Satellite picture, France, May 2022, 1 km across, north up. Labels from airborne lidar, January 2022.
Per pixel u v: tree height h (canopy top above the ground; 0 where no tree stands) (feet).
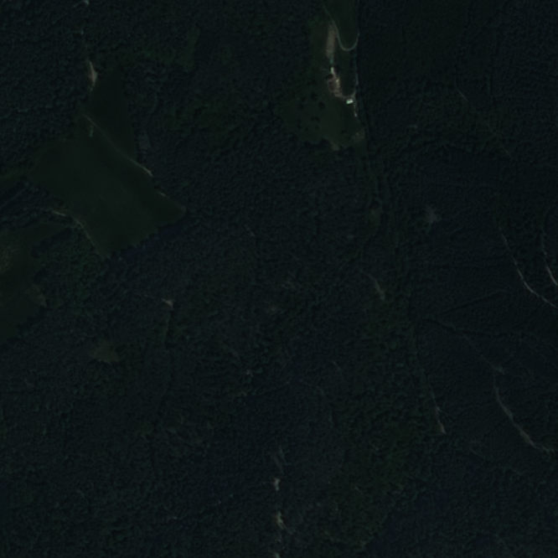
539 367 64
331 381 85
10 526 62
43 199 65
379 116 65
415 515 96
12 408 58
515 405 56
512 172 51
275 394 105
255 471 106
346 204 92
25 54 75
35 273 0
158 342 66
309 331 92
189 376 71
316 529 83
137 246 0
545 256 54
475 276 62
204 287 78
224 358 87
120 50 59
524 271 25
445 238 77
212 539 70
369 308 30
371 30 49
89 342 62
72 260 57
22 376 44
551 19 86
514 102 70
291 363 28
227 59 74
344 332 76
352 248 92
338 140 0
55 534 93
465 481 90
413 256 69
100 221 0
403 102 61
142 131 42
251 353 85
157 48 68
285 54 82
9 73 77
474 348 65
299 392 109
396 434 70
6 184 0
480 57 57
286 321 94
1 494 66
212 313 29
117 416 83
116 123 0
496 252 57
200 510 63
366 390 60
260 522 88
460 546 81
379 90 57
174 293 101
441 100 49
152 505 108
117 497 115
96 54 77
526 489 87
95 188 0
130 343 60
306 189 67
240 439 90
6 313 0
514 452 64
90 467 89
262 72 81
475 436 63
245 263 73
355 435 88
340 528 87
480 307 57
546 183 60
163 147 83
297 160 99
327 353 83
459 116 57
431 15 50
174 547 97
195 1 58
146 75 51
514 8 75
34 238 0
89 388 76
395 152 39
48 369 51
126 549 96
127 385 81
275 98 18
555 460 51
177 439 86
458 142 70
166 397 87
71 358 51
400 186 40
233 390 96
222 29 73
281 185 83
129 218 0
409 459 90
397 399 107
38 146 63
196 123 88
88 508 79
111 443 91
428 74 48
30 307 0
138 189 0
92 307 85
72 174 0
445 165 62
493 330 70
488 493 80
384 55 51
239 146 91
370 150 41
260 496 69
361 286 71
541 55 89
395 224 51
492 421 60
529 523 68
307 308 92
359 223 86
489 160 66
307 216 86
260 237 85
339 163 90
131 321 115
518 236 34
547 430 54
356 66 25
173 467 100
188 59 64
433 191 61
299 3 79
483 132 73
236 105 85
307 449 92
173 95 73
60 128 78
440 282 62
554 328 53
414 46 44
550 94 83
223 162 87
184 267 106
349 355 67
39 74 87
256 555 72
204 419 79
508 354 60
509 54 96
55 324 40
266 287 75
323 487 38
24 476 68
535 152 84
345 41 0
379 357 91
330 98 0
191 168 80
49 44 80
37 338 43
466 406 73
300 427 83
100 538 43
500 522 63
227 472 114
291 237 84
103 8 75
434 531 72
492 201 67
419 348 55
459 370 67
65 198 0
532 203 45
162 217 0
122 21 67
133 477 110
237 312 95
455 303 64
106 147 0
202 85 94
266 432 89
